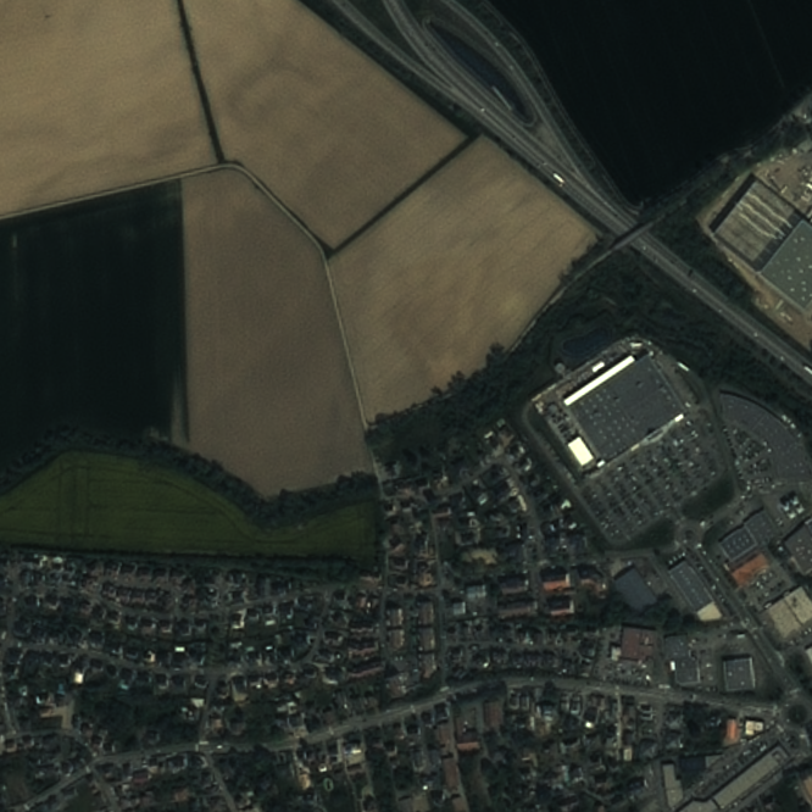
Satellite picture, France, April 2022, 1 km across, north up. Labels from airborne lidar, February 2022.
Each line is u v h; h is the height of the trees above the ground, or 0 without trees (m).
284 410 0
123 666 0
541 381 0
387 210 0
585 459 0
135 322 0
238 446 0
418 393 0
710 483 0
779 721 0
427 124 0
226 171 0
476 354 0
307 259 0
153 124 0
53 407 0
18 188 0
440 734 0
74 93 0
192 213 0
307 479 0
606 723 0
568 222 0
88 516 0
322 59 0
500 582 0
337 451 0
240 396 0
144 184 0
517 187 0
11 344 0
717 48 0
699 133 0
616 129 0
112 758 0
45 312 0
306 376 0
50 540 0
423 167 0
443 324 0
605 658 0
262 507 7
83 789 0
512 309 0
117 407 0
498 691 18
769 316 0
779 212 0
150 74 0
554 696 18
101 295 0
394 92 0
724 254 0
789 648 0
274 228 0
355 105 0
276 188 0
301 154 0
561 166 0
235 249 0
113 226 0
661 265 0
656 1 0
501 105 0
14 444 0
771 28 0
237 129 0
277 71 0
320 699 0
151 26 0
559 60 0
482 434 0
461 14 0
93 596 0
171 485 0
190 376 0
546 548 0
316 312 0
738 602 0
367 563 0
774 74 0
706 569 0
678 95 0
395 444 0
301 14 0
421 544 0
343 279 0
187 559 6
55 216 0
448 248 0
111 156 0
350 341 0
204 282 0
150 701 15
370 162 0
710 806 0
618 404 0
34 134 0
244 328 0
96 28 0
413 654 0
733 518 0
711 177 14
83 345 0
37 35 0
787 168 0
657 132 0
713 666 0
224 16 0
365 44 7
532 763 7
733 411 0
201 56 0
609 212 0
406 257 0
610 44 0
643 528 0
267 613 0
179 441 0
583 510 0
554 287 0
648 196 0
